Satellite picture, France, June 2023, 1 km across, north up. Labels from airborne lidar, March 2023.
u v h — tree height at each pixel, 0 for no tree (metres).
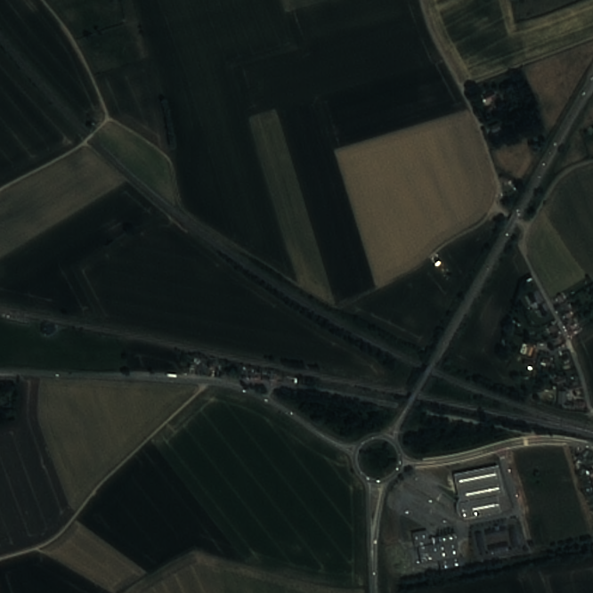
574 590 0
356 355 0
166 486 0
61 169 0
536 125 27
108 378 0
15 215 0
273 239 0
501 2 0
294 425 0
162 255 0
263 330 0
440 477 0
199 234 0
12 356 0
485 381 7
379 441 0
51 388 0
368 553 0
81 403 0
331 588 0
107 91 0
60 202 0
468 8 0
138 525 0
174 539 0
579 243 0
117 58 0
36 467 0
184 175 0
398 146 0
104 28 0
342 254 0
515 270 0
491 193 0
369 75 0
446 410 9
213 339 0
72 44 0
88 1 0
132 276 0
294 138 0
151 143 0
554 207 0
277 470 0
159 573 0
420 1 0
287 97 0
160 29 0
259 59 0
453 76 0
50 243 0
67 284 0
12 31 0
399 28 0
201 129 0
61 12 0
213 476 0
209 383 0
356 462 0
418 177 0
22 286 0
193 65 0
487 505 0
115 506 0
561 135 0
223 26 0
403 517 0
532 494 0
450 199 0
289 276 0
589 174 0
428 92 0
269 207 0
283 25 0
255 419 0
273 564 0
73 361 0
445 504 0
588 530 0
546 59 0
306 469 0
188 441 0
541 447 0
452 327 0
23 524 0
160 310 0
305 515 0
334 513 0
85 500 0
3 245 0
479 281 0
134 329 0
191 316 0
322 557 0
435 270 0
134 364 0
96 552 0
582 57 0
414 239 0
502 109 12
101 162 0
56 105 0
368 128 0
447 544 0
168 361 0
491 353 0
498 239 0
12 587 0
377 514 0
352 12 0
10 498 0
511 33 0
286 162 0
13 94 0
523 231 0
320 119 0
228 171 0
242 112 0
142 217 0
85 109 0
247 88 0
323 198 0
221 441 0
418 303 0
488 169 0
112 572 0
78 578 0
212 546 0
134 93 0
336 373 0
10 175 0
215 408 0
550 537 0
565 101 0
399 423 0
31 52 0
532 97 16
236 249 0
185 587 0
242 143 0
